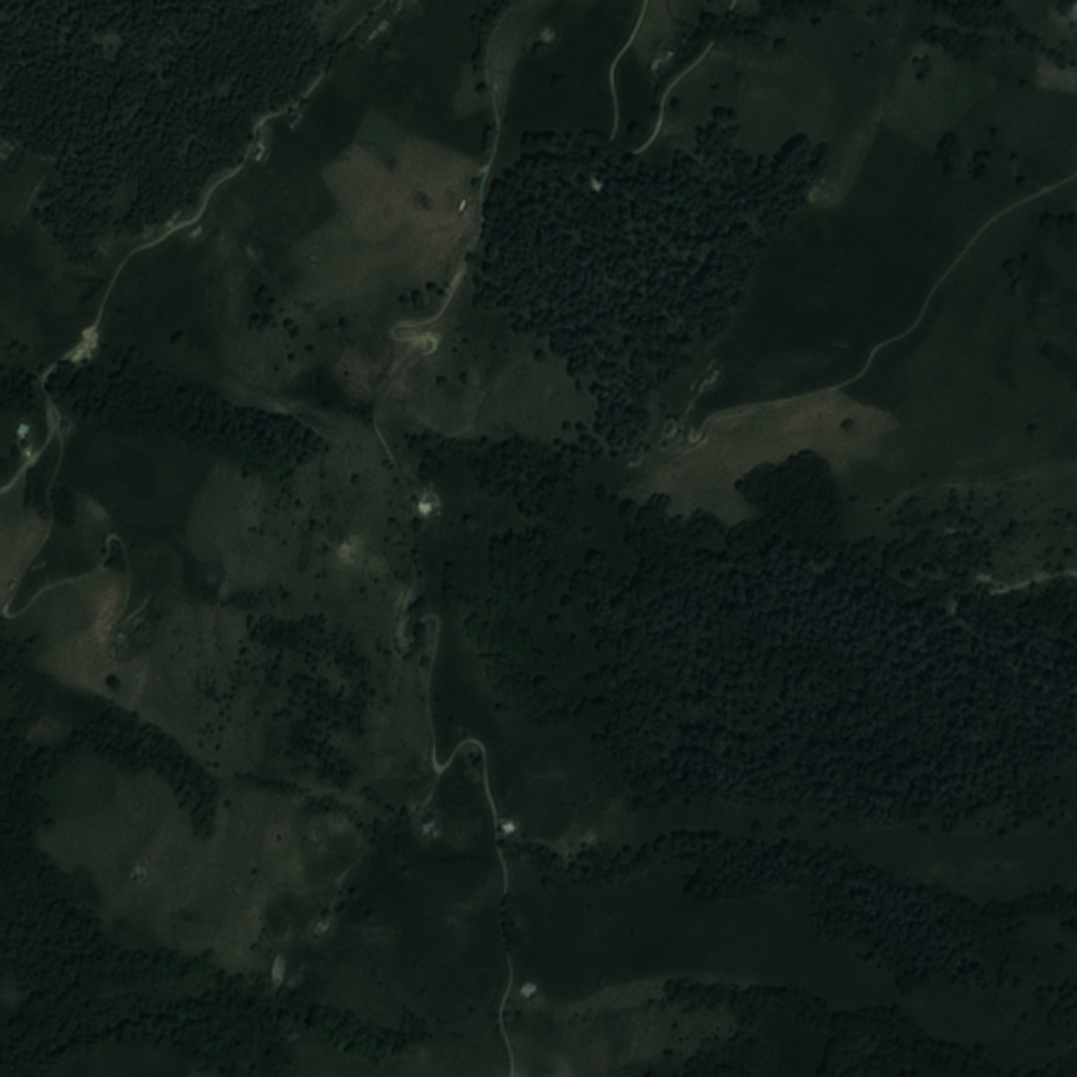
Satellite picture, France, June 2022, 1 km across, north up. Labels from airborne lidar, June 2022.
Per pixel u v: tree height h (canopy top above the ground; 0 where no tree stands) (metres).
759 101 0
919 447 0
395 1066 0
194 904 0
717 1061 13
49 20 17
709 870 15
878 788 15
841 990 0
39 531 0
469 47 0
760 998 17
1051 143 0
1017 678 16
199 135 12
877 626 27
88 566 0
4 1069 15
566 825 0
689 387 0
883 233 0
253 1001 13
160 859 0
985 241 0
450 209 0
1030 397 0
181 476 0
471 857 0
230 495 0
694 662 17
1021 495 0
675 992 12
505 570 16
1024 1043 0
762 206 29
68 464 0
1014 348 0
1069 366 0
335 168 0
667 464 0
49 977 12
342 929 0
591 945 0
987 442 0
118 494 0
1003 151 0
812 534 16
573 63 0
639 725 24
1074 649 22
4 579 0
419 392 0
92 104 15
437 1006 0
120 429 15
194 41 10
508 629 17
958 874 0
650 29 0
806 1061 0
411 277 0
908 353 0
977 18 17
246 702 0
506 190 22
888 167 0
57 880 14
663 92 9
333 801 14
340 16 0
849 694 16
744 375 0
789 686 20
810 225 0
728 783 25
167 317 0
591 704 17
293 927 0
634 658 23
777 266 0
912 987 12
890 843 0
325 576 7
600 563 23
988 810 19
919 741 25
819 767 21
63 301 0
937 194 0
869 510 0
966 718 16
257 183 0
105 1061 0
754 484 17
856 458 0
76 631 0
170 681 0
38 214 14
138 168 11
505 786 0
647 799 24
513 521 0
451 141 0
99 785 0
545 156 25
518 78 0
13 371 8
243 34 16
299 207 0
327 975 0
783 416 0
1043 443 0
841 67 0
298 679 11
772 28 9
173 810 0
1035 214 0
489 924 0
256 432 16
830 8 14
